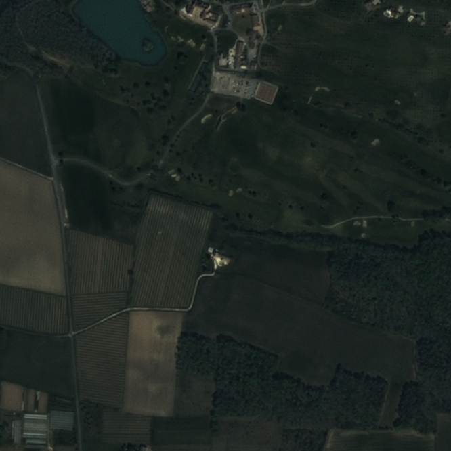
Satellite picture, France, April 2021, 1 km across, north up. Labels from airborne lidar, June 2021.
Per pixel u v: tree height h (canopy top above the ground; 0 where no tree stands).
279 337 0
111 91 0
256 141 0
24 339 0
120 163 0
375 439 0
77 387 0
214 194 0
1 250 0
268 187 0
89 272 0
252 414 21
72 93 0
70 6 0
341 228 0
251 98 0
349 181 0
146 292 0
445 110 0
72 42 19
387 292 21
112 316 0
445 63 0
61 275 0
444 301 18
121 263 0
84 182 0
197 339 17
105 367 0
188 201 0
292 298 0
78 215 0
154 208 0
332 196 0
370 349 0
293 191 0
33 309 0
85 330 0
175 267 0
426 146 9
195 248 0
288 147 0
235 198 0
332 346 0
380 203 0
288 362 0
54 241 0
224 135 0
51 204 0
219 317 0
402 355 0
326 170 0
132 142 0
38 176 0
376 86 0
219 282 0
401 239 0
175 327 0
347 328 0
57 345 0
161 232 0
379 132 0
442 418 0
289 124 0
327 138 0
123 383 0
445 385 17
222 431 0
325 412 19
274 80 0
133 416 0
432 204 0
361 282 20
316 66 0
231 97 0
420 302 19
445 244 18
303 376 0
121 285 0
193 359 21
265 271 0
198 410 0
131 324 0
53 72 16
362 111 0
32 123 0
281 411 22
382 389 16
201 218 0
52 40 21
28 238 0
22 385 0
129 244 0
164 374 0
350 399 21
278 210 0
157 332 0
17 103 0
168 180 0
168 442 0
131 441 0
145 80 0
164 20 0
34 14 19
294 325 0
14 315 0
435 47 0
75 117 0
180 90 0
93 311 0
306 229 0
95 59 22
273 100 0
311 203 0
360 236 0
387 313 18
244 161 0
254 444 0
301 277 0
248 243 0
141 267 0
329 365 0
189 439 0
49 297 0
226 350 22
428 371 24
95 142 0
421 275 22
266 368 20
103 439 0
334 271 20
